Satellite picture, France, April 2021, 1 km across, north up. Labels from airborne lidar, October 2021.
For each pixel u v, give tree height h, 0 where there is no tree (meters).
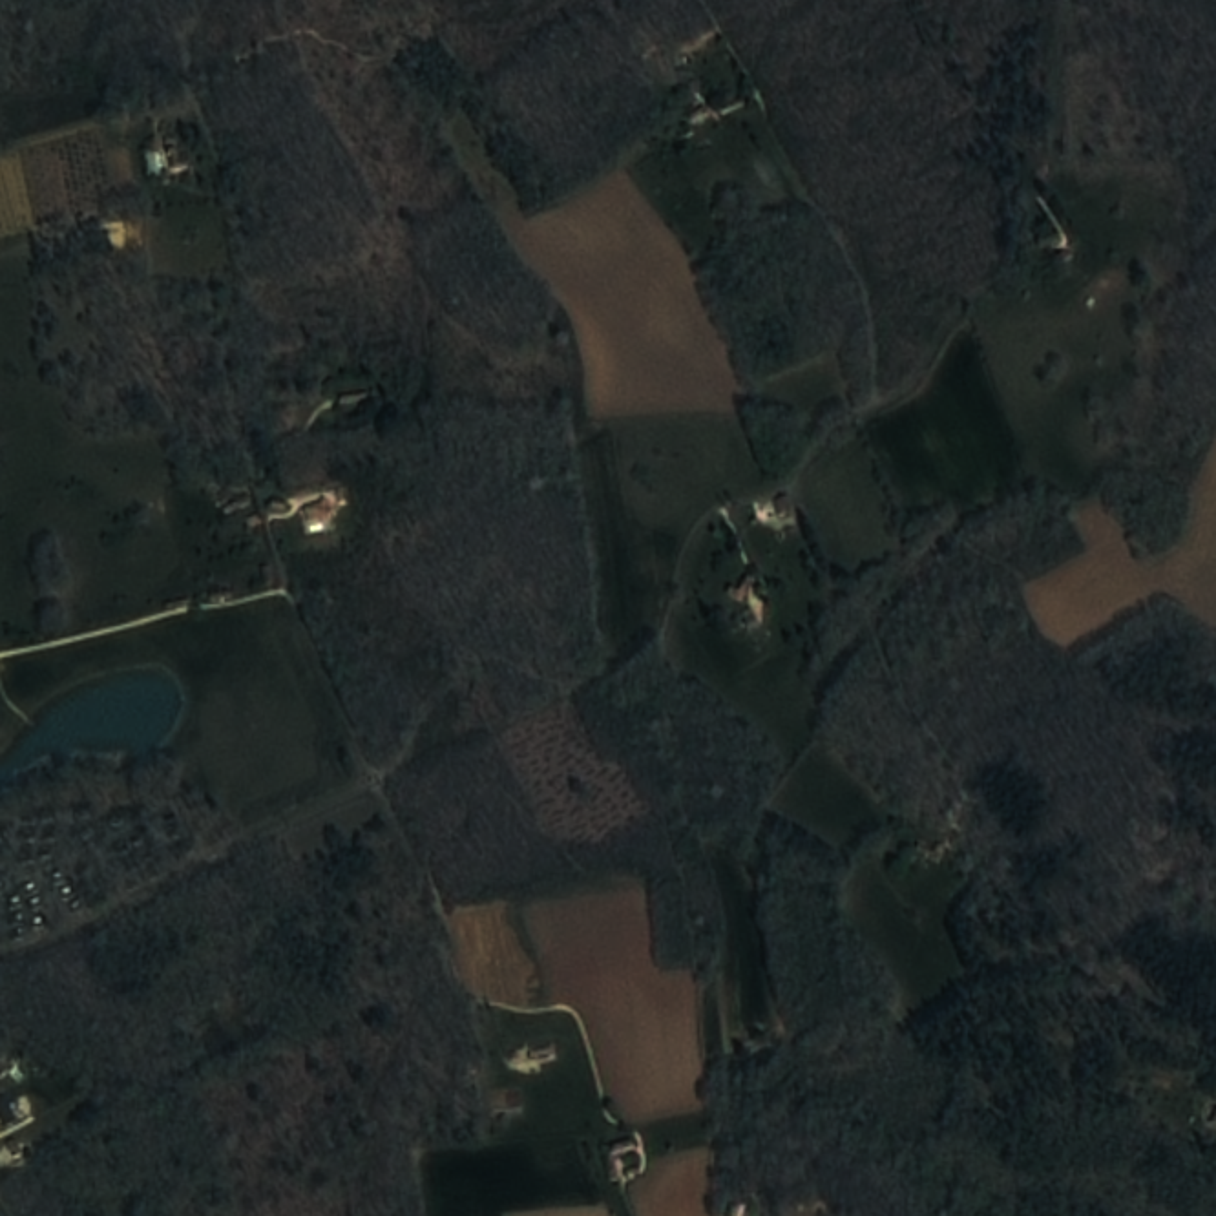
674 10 21
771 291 26
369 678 20
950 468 0
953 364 0
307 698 0
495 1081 0
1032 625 8
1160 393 13
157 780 21
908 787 18
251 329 18
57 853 19
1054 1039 13
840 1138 17
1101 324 0
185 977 17
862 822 0
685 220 0
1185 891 15
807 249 18
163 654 0
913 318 6
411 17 19
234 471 24
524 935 0
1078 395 0
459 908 9
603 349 0
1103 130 21
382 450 21
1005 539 21
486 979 0
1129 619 11
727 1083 16
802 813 0
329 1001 21
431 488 16
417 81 16
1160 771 19
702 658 0
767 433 21
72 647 0
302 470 19
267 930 19
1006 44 8
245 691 0
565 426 18
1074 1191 16
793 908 13
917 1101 15
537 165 20
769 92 8
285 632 0
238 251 18
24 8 23
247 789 0
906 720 16
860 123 6
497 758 10
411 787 10
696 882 10
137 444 0
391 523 19
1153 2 12
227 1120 8
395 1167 20
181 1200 21
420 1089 23
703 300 13
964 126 9
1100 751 14
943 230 9
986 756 15
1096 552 0
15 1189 17
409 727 15
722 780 18
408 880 13
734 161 0
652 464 0
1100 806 15
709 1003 9
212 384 23
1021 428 0
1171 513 21
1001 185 24
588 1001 0
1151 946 16
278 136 22
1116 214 8
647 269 0
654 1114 0
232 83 15
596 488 0
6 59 23
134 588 0
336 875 16
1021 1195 18
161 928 20
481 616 17
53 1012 21
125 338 19
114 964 21
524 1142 0
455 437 23
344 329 16
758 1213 20
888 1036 14
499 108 19
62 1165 21
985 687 15
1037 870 21
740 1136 15
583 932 0
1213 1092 17
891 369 10
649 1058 0
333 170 22
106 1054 21
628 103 17
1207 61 12
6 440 0
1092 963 12
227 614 0
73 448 0
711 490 0
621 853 15
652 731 20
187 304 17
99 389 14
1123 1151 24
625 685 23
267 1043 23
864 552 0
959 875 7
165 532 0
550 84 23
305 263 21
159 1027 26
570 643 23
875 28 9
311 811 0
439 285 16
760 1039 17
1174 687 21
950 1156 25
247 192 19
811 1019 11
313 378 19
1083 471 0
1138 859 16
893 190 9
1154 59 14
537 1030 0
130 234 20
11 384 0
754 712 0
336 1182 19
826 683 6
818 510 0
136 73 17
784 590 14
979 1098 20
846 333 18
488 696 7
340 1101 18
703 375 0
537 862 16
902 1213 20
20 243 0
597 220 0
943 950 0
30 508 0
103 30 20
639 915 0
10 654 0
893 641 18
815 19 10
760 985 0
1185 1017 17
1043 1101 21
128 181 0
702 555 0
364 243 25
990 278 8
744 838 24
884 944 0
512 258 20
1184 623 15
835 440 20
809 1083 16
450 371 7
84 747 0
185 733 0
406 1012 17
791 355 19
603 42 21
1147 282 23
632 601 0
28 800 23
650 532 0
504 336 23
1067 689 16
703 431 0
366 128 19
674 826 12
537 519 20
